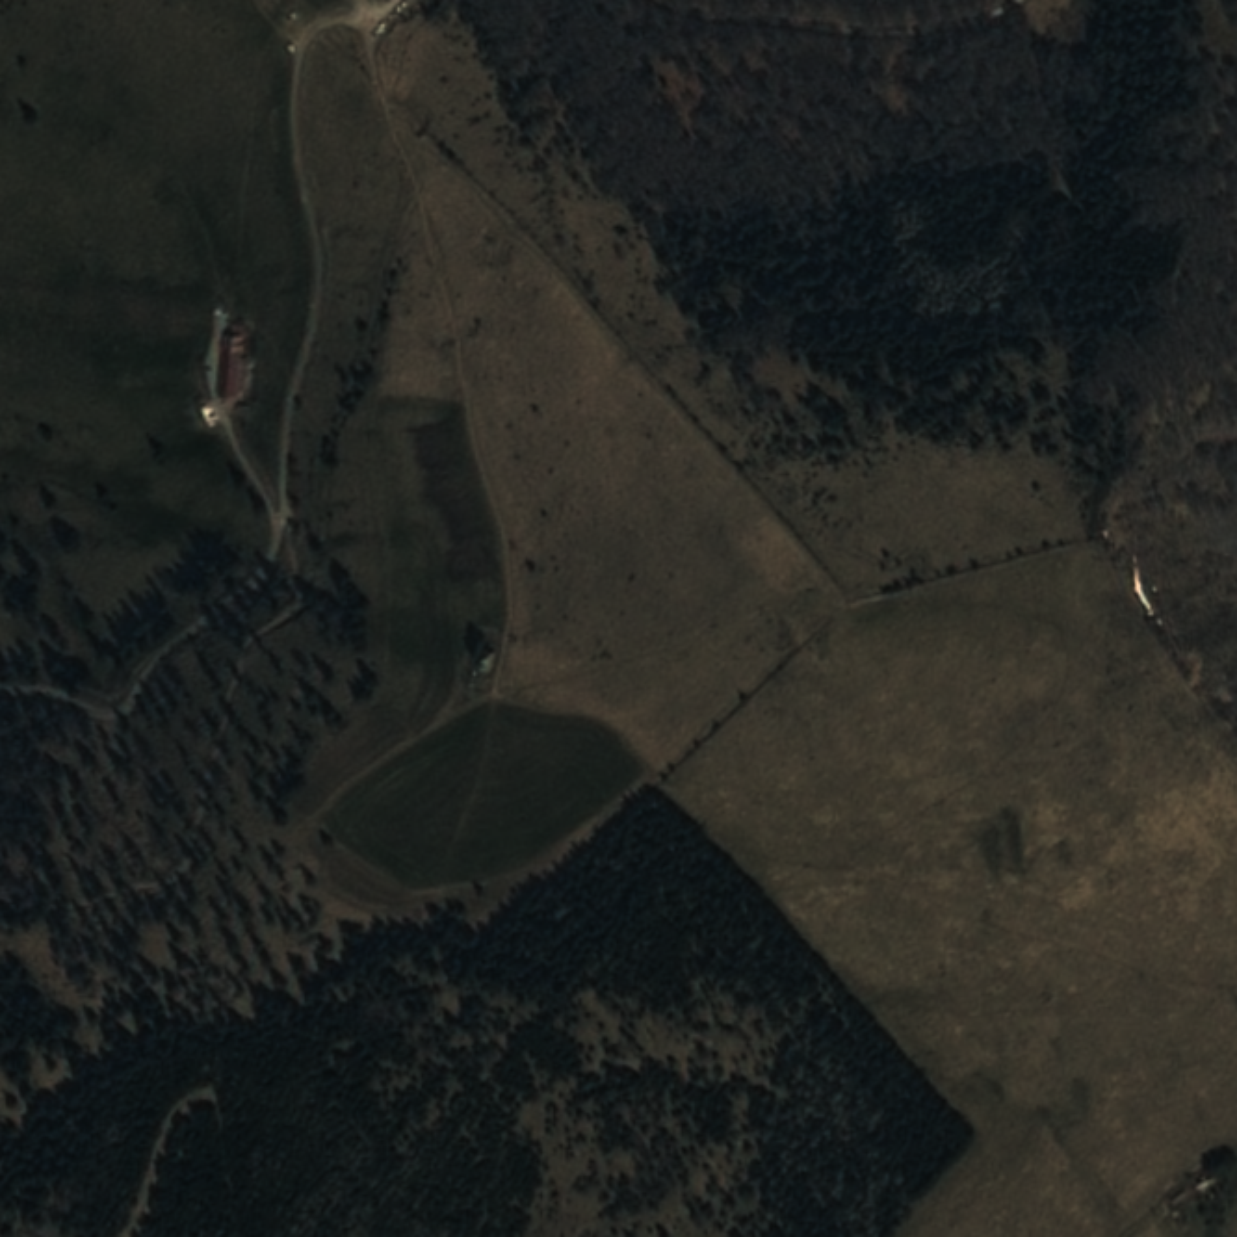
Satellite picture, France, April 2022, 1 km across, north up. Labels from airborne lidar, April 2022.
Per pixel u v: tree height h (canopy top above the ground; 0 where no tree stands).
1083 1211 0
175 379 0
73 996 0
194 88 0
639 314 0
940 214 17
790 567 0
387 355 0
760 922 18
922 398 7
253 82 0
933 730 0
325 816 0
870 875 0
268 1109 14
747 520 0
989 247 23
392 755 0
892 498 0
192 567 0
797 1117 16
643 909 23
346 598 21
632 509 0
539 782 0
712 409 0
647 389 0
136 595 0
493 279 0
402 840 0
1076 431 11
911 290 16
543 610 0
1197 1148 0
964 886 0
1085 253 13
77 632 0
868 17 23
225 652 0
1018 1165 0
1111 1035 0
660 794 10
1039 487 6
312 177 0
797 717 0
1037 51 11
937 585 0
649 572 0
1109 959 0
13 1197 7
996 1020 0
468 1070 8
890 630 0
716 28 15
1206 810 0
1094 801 0
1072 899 0
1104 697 0
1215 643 0
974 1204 0
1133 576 0
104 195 0
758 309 22
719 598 0
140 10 0
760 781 0
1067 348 10
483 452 0
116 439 0
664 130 20
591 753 0
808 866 0
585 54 18
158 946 0
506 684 0
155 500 0
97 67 0
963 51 21
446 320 0
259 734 0
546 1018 11
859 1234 19
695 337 10
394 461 0
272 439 0
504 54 14
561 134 8
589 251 0
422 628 0
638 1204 8
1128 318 19
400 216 0
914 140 19
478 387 0
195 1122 19
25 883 7
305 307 0
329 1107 11
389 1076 7
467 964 12
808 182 22
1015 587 0
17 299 0
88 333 0
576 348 0
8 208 0
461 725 0
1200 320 17
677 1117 7
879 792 0
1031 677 0
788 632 0
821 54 12
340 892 0
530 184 0
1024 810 0
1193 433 17
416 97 0
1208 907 0
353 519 0
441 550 0
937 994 0
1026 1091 0
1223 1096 0
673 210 11
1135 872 0
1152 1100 0
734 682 0
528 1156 8
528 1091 8
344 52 0
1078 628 0
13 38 0
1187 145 15
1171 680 0
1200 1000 0
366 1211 13
